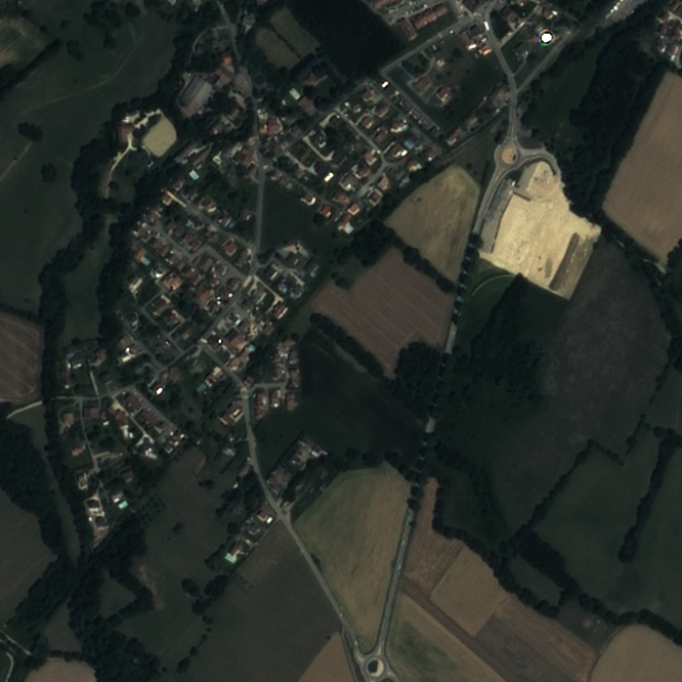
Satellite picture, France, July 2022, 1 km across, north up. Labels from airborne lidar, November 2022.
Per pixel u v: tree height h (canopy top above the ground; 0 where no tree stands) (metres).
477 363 20
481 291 0
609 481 0
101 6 21
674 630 17
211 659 0
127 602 0
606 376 0
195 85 0
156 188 14
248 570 0
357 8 9
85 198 16
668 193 0
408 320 0
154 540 0
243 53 6
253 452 0
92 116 0
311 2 10
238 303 0
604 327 0
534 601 15
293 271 0
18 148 0
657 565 0
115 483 10
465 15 0
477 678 0
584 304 0
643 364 0
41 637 14
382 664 0
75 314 0
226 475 0
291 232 0
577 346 0
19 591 0
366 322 0
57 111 0
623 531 0
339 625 0
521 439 0
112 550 9
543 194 0
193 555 0
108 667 21
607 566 0
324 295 0
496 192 0
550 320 0
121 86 0
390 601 0
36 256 0
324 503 0
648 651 0
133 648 23
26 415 0
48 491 26
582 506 0
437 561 0
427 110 0
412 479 16
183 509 0
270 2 10
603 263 0
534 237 0
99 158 24
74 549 0
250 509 9
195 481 0
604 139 26
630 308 0
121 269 21
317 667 0
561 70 14
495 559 21
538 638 0
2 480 19
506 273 0
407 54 0
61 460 13
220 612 0
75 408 0
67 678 0
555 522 0
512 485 0
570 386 0
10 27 0
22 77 12
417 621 0
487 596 0
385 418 0
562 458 0
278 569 0
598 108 23
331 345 0
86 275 0
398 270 0
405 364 19
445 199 0
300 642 0
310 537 0
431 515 0
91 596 22
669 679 0
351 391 0
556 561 18
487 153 0
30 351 0
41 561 0
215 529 0
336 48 8
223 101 19
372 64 9
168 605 0
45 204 0
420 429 0
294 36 0
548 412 0
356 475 0
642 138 0
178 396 11
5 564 0
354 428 0
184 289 6
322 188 6
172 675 0
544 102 0
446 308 0
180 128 8
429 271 19
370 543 0
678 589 0
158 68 0
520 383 17
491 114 7
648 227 0
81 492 5
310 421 0
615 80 20
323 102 17
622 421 0
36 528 0
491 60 0
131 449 6
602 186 19
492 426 0
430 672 0
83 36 0
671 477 0
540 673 0
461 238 0
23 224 0
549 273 0
